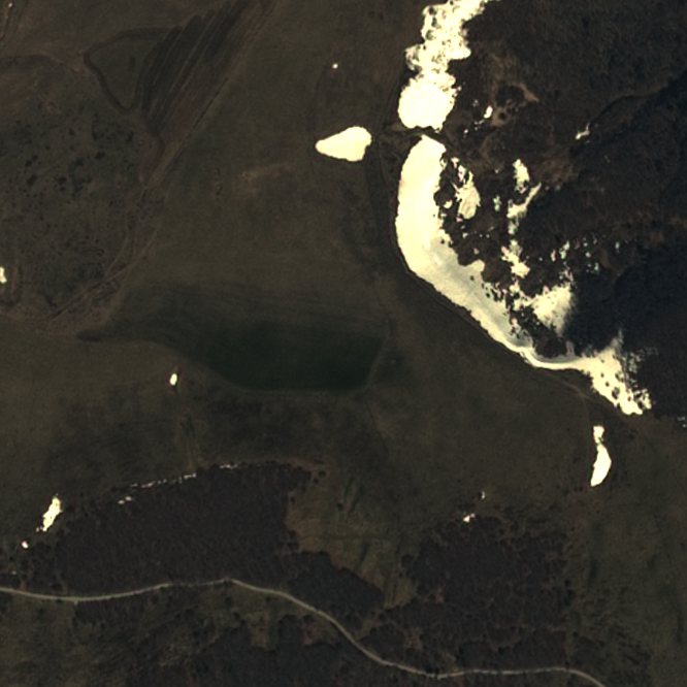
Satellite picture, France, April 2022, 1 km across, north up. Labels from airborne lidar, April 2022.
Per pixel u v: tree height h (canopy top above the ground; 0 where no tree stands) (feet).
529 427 0
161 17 0
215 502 47
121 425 0
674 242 38
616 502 0
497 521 25
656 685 0
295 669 64
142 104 0
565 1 37
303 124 0
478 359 0
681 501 0
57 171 0
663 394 25
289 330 0
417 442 0
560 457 0
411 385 0
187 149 0
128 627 23
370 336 0
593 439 0
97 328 0
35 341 0
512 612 31
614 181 30
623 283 29
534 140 36
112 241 0
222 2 0
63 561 31
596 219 42
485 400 0
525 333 0
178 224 0
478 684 37
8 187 0
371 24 0
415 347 0
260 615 0
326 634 0
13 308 0
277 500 36
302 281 0
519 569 34
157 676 43
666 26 67
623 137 51
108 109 0
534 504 0
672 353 42
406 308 0
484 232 0
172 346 0
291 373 0
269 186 0
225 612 0
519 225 28
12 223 0
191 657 0
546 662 42
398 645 41
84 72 0
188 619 43
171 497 37
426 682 30
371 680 32
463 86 20
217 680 77
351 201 0
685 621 0
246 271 0
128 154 0
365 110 0
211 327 0
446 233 0
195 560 47
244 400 0
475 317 0
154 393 0
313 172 0
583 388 0
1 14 0
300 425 0
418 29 0
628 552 0
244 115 0
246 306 0
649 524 0
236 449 0
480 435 0
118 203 0
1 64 0
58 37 0
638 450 0
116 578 36
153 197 0
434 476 0
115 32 0
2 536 0
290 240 0
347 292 0
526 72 20
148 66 0
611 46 43
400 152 0
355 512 0
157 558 34
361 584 39
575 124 38
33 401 0
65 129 0
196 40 0
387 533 0
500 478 0
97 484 0
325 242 0
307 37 0
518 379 0
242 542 42
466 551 37
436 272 0
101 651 0
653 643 0
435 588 31
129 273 0
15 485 0
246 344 0
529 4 22
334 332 0
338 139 0
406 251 0
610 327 42
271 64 0
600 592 0
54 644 0
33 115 0
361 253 0
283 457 0
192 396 0
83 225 0
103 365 0
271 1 0
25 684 0
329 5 0
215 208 0
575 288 26
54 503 0
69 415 0
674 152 42
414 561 28
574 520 0
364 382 0
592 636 0
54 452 0
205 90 0
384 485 0
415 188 0
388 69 0
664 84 59
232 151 0
